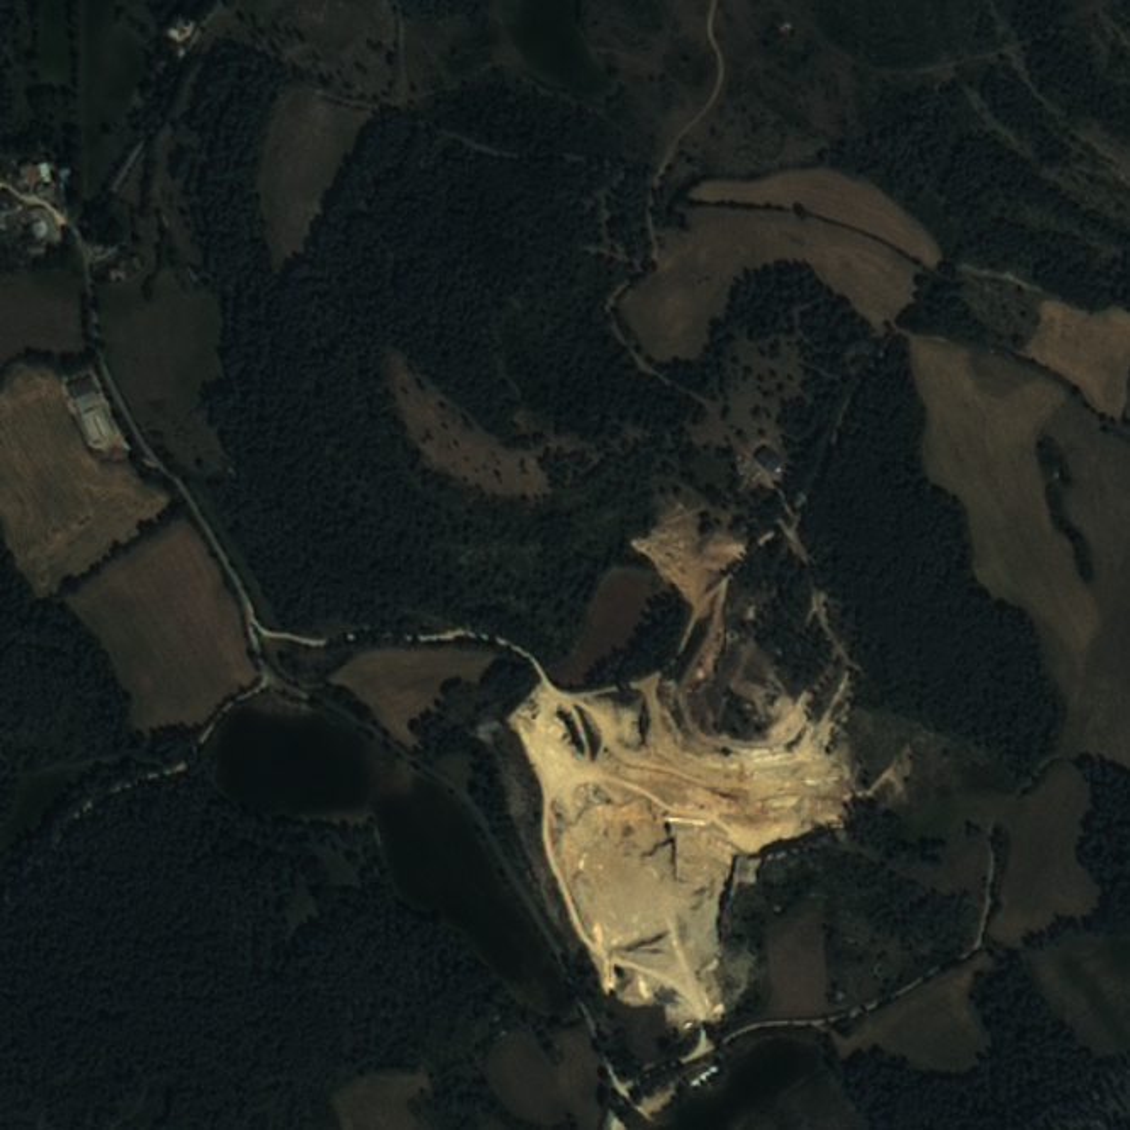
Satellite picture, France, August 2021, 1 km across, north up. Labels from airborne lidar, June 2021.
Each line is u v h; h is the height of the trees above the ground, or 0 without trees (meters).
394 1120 0
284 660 12
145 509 0
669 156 0
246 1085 15
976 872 0
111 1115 7
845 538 14
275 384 17
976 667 15
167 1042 13
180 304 0
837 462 17
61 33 0
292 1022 17
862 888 6
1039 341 0
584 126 7
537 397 8
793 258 0
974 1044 0
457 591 8
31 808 0
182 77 11
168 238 9
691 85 0
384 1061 8
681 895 0
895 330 11
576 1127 9
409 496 14
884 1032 0
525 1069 0
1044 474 0
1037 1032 11
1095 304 14
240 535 13
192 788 16
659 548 0
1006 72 6
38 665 9
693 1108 0
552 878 0
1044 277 13
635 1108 8
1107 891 11
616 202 9
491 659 0
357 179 18
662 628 18
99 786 13
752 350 0
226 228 18
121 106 0
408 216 18
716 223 0
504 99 7
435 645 8
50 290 0
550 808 0
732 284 0
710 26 0
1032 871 0
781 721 0
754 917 8
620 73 8
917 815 0
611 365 7
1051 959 0
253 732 0
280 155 0
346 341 10
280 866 17
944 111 9
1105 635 0
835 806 0
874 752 0
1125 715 0
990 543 0
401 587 15
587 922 0
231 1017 16
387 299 12
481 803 15
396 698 0
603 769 0
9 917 16
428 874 0
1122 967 0
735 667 0
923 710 16
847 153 11
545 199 7
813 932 0
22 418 0
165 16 8
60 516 0
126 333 0
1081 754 0
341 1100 0
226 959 18
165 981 14
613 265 9
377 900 17
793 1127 0
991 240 14
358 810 0
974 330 11
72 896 21
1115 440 0
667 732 0
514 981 0
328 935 16
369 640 17
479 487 8
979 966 0
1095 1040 0
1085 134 0
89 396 0
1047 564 0
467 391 16
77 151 15
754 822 0
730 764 0
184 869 18
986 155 11
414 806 0
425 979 14
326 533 14
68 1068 15
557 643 7
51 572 0
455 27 0
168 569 0
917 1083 7
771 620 11
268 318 10
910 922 9
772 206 7
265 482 17
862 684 10
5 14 11
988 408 0
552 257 8
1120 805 18
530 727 0
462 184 10
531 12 0
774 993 0
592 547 8
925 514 16
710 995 0
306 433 15
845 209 0
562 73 0
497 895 0
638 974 0
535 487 0
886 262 0
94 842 17
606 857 0
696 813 0
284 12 0
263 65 13
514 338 7
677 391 8
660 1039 0
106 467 0
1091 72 7
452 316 16
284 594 16
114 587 0
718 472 0
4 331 0
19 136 6
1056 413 0
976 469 0
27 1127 7
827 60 0
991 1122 12
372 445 12
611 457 10
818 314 12
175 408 0
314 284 15
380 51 8
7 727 7
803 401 7
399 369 0
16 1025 18
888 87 7
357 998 13
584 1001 14
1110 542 0
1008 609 16
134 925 19
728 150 0
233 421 17
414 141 17
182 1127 14
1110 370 0
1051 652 0
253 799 0
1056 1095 11
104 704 11
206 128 14
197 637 0
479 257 11
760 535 13
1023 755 12
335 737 0
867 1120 12
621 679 13
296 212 0
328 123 0
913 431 16
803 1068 0
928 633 13
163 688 0
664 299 0
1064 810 0
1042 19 8
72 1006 20
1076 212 12
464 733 7
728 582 14
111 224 16
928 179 10
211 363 0
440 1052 0
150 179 9
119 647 0
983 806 0
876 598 12
